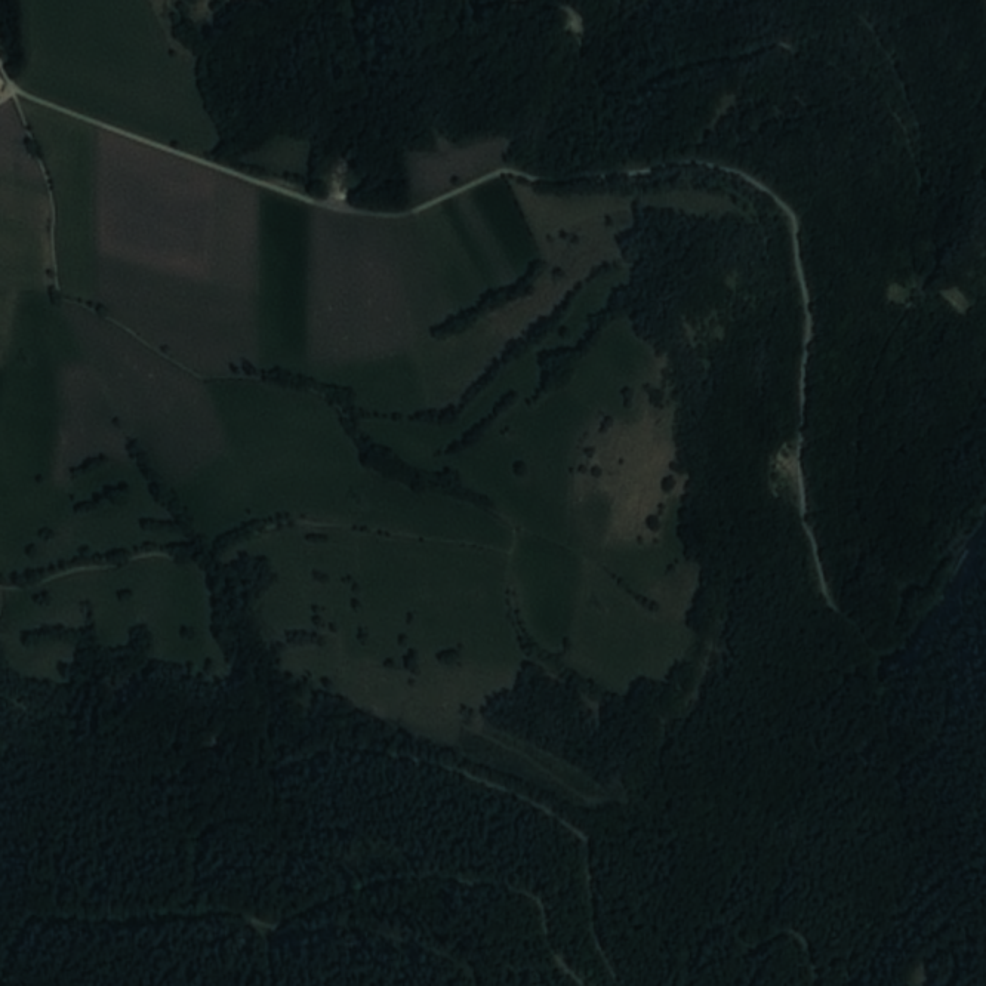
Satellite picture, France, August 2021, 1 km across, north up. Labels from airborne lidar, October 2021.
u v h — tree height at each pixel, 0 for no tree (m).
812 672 32
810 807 23
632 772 16
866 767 31
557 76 25
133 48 0
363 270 0
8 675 16
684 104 20
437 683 0
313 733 19
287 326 0
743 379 19
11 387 0
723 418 21
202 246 0
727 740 23
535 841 27
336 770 19
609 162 18
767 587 29
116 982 28
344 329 0
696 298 12
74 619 0
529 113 17
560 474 0
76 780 20
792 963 19
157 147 0
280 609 0
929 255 13
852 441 21
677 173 9
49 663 0
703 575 10
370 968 30
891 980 33
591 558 0
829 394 23
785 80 15
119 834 26
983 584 17
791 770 29
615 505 0
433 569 0
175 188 0
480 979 19
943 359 22
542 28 23
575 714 15
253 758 21
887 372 14
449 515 0
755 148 13
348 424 11
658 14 19
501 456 0
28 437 0
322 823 26
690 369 14
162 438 0
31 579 14
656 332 12
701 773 29
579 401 0
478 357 0
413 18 15
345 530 0
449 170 0
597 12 15
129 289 0
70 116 0
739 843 23
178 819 31
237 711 21
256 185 0
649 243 15
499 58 25
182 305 0
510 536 0
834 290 17
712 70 13
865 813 33
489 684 0
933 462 31
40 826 22
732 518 18
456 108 22
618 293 12
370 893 13
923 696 28
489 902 23
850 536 24
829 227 14
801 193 11
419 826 20
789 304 13
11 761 18
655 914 23
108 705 19
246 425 0
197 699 17
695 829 30
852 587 24
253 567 12
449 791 18
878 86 13
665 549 0
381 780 21
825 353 18
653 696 23
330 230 0
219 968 32
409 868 9
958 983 29
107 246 0
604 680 0
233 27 32
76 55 0
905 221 21
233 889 27
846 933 28
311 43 32
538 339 15
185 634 11
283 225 0
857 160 14
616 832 16
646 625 0
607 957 7
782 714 32
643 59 15
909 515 30
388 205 20
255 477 0
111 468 0
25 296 0
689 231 14
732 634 24
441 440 0
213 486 0
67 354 0
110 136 0
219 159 14
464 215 0
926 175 18
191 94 0
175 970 29
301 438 0
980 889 23
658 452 0
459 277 0
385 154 23
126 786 28
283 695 14
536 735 17
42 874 27
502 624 0
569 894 23
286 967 31
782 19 13
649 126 17
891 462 25
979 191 15
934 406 24
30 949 16
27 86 0
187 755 22
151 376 0
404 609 0
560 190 13
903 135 13
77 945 31
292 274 0
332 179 0
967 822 25
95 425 0
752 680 25
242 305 0
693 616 13
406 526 0
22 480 0
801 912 24
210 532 0
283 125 18
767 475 8
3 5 15
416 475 15
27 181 0
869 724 33
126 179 0
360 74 33
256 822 24
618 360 0
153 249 0
